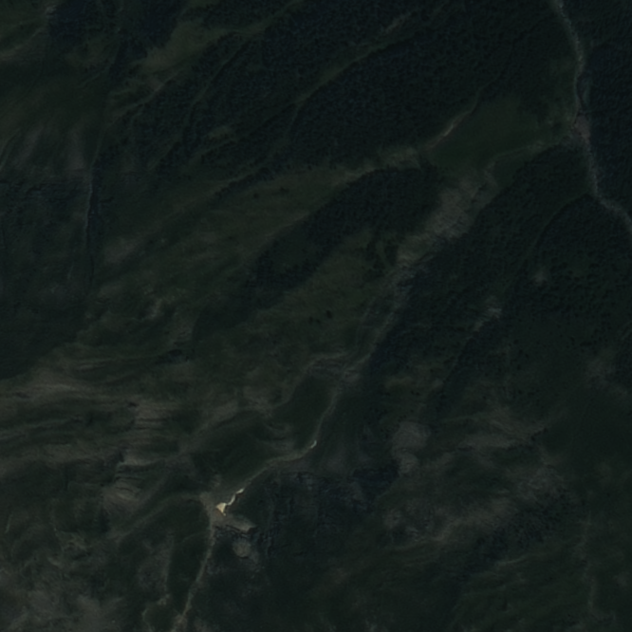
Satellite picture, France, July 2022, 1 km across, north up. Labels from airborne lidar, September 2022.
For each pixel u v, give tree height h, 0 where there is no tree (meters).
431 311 13
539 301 11
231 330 0
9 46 0
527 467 0
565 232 13
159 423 0
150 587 0
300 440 0
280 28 8
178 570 0
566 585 0
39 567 0
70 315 0
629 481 0
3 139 0
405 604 0
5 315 0
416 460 0
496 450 0
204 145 8
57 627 0
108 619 0
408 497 0
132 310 0
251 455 0
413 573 0
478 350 12
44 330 0
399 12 24
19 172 0
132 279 0
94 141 0
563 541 0
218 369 0
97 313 0
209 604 0
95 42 0
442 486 0
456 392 0
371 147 8
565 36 13
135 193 0
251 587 0
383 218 9
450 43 13
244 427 0
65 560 0
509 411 0
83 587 0
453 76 9
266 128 11
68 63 0
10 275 0
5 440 0
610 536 0
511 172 0
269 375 0
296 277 9
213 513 0
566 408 0
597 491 0
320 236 12
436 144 0
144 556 0
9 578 0
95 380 0
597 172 0
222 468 0
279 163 8
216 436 0
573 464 0
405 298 0
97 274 0
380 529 0
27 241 0
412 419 0
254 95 9
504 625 0
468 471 0
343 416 0
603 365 0
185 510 0
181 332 0
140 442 0
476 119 0
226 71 9
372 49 6
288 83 12
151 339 0
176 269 0
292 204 0
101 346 0
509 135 0
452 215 0
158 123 8
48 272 0
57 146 0
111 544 0
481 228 10
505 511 0
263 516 0
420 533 0
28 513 0
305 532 0
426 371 0
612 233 12
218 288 0
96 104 0
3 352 0
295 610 0
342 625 0
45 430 0
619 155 8
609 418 0
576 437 0
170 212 0
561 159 10
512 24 9
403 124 12
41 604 0
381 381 0
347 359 0
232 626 0
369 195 10
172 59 0
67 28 11
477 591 0
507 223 10
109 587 0
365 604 0
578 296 11
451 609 0
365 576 0
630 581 0
